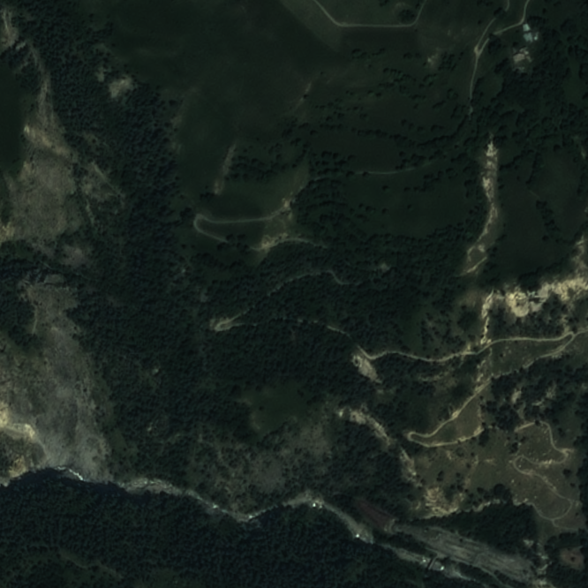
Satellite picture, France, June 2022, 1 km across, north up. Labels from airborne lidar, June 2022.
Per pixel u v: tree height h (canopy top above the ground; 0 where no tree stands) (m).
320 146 0
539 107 21
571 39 14
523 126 19
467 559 0
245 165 11
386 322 22
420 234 0
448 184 0
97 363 8
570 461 0
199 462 9
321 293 20
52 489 22
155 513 26
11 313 24
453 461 0
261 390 21
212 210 0
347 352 25
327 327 10
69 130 16
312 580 15
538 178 13
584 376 20
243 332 17
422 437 0
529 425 0
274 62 0
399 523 10
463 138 12
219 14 0
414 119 0
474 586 8
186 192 0
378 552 36
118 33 0
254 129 0
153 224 27
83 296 16
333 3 0
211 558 38
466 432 0
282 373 30
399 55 0
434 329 11
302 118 0
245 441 22
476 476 0
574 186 0
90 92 23
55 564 8
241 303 29
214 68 0
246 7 0
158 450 19
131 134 13
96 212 11
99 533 33
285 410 0
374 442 20
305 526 14
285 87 0
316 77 0
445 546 0
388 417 21
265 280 20
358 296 16
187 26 0
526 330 7
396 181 0
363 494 10
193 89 0
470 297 0
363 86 0
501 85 0
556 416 16
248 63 0
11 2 7
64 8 10
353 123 0
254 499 17
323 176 16
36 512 22
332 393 19
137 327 14
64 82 27
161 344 14
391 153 0
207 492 16
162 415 13
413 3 0
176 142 0
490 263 7
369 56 12
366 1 0
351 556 30
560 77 28
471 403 0
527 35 0
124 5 0
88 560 12
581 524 0
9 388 0
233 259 0
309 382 23
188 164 0
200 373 17
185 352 11
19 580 23
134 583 16
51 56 19
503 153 0
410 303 21
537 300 11
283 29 0
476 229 20
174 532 21
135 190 9
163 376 16
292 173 0
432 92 0
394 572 21
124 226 13
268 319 21
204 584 7
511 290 0
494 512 14
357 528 0
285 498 11
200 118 0
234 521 9
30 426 0
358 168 0
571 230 0
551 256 0
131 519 17
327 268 30
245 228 0
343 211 19
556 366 20
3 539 28
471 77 0
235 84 0
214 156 0
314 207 12
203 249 0
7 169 0
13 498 33
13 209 8
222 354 18
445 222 0
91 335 9
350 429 24
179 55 0
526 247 0
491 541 12
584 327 0
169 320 20
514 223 0
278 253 9
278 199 0
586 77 25
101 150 16
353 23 0
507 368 0
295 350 24
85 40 6
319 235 19
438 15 0
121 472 6
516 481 0
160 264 19
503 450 0
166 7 0
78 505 10
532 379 18
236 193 0
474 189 19
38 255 12
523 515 18
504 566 0
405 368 12
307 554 26
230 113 0
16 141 0
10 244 12
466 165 20
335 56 0
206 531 15
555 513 0
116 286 13
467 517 13
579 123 29
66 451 0
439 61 0
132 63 0
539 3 0
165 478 18
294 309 8
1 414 0
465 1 0
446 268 17
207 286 10
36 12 32
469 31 0
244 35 0
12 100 0
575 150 22
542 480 0
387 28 0
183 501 14
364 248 12
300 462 11
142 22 0
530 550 6
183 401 35
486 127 22
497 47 21
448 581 16
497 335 6
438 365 10
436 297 14
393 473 20
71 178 6
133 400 25
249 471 9
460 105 9
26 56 18
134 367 17
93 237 13
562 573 15
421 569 10
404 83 12
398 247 25
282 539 34
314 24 0
